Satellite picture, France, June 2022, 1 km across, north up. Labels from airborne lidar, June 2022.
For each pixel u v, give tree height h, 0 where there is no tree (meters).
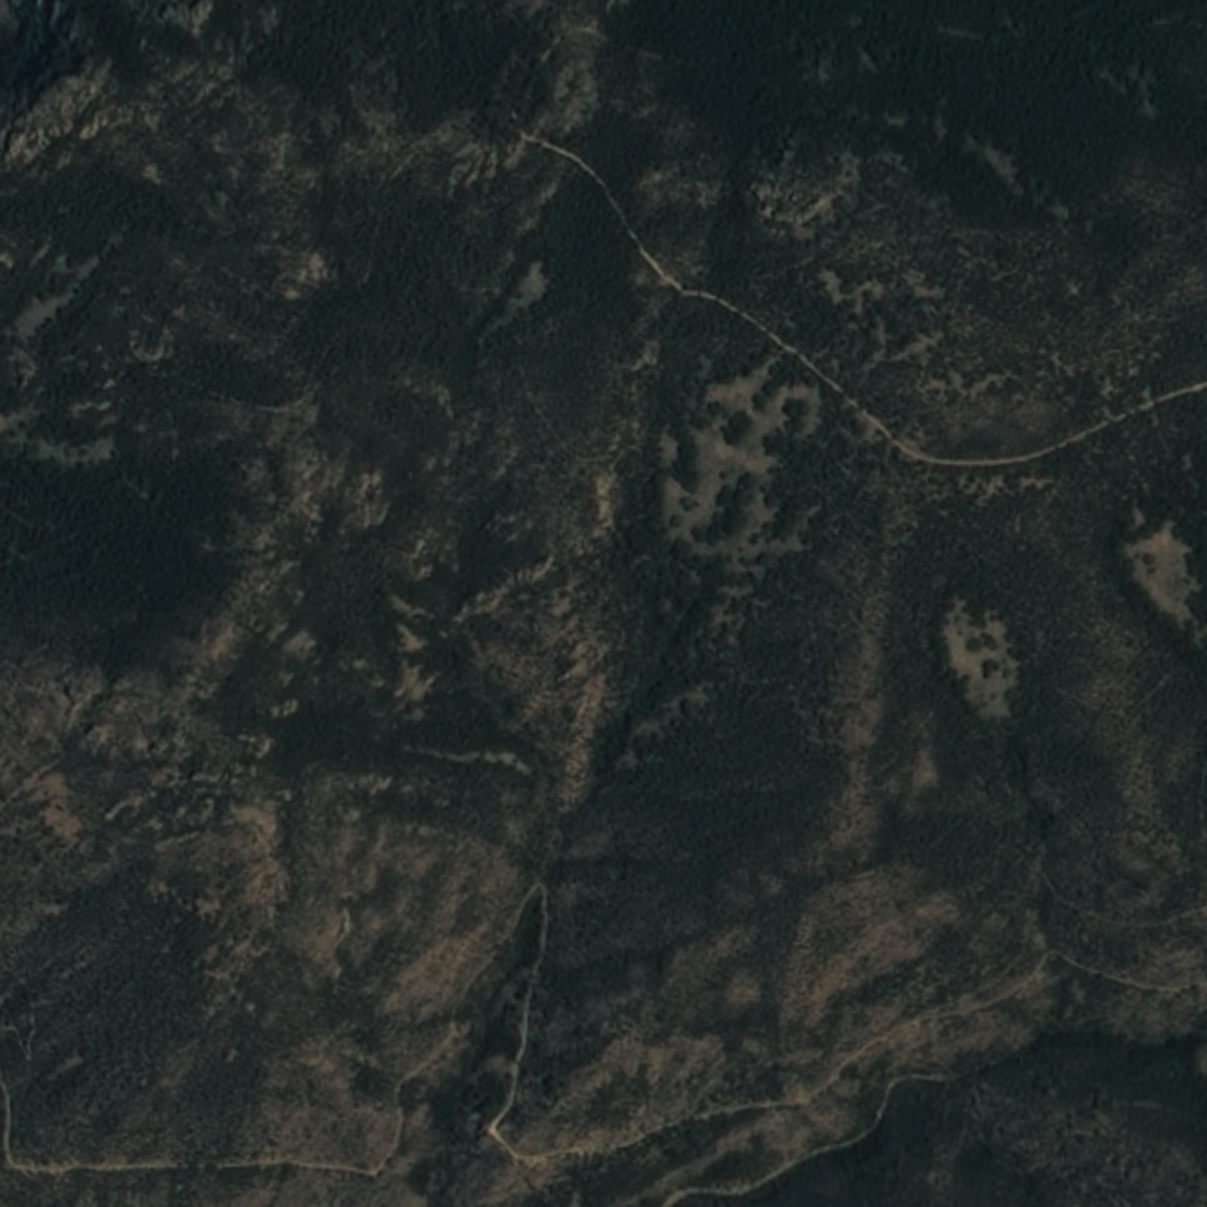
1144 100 7
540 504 0
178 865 0
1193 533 11
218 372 8
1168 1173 0
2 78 10
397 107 8
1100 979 10
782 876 6
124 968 7
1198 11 6
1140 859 0
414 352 8
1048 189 7
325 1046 0
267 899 0
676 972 0
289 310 6
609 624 6
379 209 7
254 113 0
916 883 0
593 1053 6
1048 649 6
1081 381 6
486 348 6
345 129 8
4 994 6
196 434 7
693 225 7
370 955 0
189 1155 8
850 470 9
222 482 7
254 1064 7
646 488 8
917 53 10
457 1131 9
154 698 0
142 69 6
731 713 6
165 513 7
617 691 8
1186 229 9
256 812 0
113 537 10
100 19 15
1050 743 6
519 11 6
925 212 7
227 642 0
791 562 9
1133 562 7
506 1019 7
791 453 8
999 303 6
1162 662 7
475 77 10
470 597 8
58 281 8
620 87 6
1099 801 6
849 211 6
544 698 0
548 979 8
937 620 9
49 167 6
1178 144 6
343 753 7
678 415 8
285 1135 0
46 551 8
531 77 10
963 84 8
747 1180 0
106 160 8
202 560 6
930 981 6
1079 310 6
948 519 8
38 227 7
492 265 8
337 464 0
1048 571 7
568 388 6
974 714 8
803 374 6
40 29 9
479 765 9
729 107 9
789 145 9
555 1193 7
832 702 6
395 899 0
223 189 7
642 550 10
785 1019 0
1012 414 0
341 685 7
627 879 9
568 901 0
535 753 9
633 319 7
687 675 13
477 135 9
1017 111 8
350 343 9
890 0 6
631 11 7
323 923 0
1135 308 10
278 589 0
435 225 9
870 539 6
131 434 7
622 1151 7
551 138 6
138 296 6
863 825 0
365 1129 0
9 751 0
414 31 10
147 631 6
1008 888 9
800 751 7
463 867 0
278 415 0
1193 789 8
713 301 6
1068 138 8
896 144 7
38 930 6
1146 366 8
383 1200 0
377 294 10
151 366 9
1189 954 0
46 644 7
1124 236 7
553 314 6
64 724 0
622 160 7
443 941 0
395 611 8
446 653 8
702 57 10
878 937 0
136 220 8
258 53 12
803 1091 0
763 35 9
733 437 10
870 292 8
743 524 8
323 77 12
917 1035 0
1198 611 14
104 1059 8
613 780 8
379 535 6
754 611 8
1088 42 8
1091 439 5
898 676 7
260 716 8
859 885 0
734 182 9
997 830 8
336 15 12
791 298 9
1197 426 6
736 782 6
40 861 8
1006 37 9
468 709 6
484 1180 0
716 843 7
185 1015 7
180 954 8
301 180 0
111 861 0
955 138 10
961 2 10
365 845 0
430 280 9
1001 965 6
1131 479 7
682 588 10
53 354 8
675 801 7
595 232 8
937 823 8
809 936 0
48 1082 7
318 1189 0
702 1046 0
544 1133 0
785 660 7
